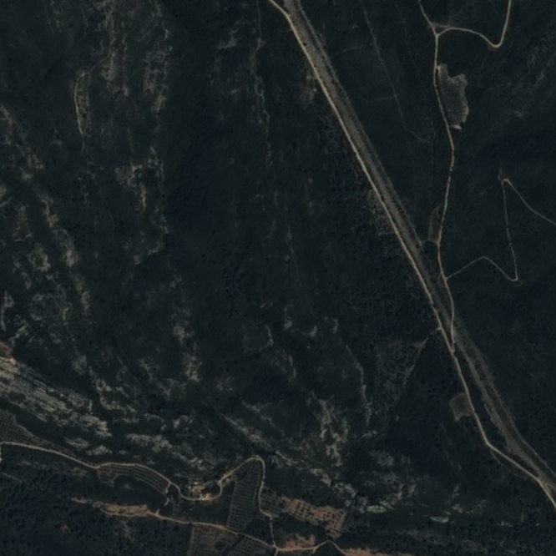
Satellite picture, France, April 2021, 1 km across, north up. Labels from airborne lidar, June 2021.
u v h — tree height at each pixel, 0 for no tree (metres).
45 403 0
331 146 13
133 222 0
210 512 0
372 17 0
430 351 6
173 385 0
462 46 0
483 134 0
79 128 0
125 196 0
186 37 0
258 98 0
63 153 0
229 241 0
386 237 5
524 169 0
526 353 0
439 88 6
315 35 0
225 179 0
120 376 0
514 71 0
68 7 0
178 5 6
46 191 0
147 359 0
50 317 0
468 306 0
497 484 0
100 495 0
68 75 0
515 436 0
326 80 0
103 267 0
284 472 0
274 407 0
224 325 0
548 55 0
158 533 11
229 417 0
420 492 0
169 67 0
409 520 0
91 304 0
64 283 0
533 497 0
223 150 0
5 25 0
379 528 8
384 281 12
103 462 0
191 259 0
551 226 0
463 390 15
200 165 0
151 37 0
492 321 0
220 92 0
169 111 0
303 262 0
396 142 0
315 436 0
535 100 0
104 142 0
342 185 15
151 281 0
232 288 9
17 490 9
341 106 0
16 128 0
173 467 0
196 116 6
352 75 0
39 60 0
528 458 0
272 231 0
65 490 11
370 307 7
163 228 0
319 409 0
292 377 0
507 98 0
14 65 0
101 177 0
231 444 0
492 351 0
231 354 0
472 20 0
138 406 0
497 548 15
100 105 0
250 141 0
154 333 0
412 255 0
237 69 0
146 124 0
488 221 0
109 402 0
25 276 0
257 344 0
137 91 0
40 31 0
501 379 0
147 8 0
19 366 0
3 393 0
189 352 0
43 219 0
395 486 0
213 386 0
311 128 0
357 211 6
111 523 6
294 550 0
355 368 0
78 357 0
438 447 8
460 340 0
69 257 0
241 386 0
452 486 0
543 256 0
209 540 0
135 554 6
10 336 6
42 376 0
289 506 0
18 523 9
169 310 0
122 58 0
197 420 0
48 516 10
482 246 0
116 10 0
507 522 0
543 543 12
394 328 5
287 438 0
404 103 0
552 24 0
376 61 0
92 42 0
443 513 0
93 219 0
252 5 0
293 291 0
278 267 0
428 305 7
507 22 0
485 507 0
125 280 0
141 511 0
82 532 8
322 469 0
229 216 0
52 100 0
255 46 0
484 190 0
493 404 0
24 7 0
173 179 6
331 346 0
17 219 0
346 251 8
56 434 0
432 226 0
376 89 0
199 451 0
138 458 0
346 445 0
